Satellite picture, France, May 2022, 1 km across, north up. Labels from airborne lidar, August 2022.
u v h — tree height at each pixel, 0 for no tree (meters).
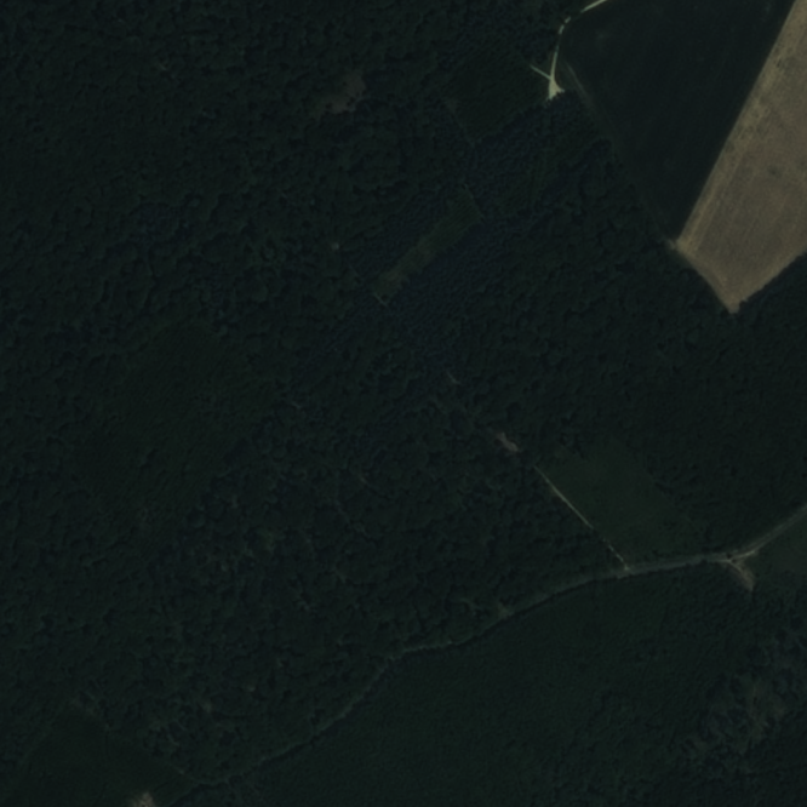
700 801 17
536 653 17
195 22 26
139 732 28
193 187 29
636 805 17
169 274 28
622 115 0
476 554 30
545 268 25
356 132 28
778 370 15
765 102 0
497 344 26
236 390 8
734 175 0
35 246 28
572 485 0
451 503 30
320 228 26
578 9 13
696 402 19
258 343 30
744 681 17
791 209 0
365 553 30
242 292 27
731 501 23
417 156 32
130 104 26
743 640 11
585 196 32
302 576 29
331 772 16
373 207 27
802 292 19
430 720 16
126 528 12
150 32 24
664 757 22
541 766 19
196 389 10
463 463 28
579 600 10
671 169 0
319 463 24
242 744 22
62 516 26
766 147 0
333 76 27
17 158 26
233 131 26
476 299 25
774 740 9
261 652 27
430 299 25
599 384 30
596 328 28
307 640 28
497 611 21
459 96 9
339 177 31
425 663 22
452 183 21
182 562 27
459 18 15
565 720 14
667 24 0
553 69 0
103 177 30
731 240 0
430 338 25
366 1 24
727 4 0
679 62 0
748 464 21
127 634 23
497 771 15
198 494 6
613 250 31
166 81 26
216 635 24
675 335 30
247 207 28
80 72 27
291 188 24
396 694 16
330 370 26
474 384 28
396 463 25
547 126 17
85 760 6
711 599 8
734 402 26
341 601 28
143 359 6
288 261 24
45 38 31
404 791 17
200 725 26
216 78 26
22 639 23
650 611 9
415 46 28
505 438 25
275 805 19
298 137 7
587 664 8
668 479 25
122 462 7
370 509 27
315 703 25
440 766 14
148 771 6
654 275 31
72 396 19
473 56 6
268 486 23
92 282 30
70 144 29
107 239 29
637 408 25
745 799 13
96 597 25
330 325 21
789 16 0
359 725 17
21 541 28
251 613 24
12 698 25
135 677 22
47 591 24
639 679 10
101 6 28
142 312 8
